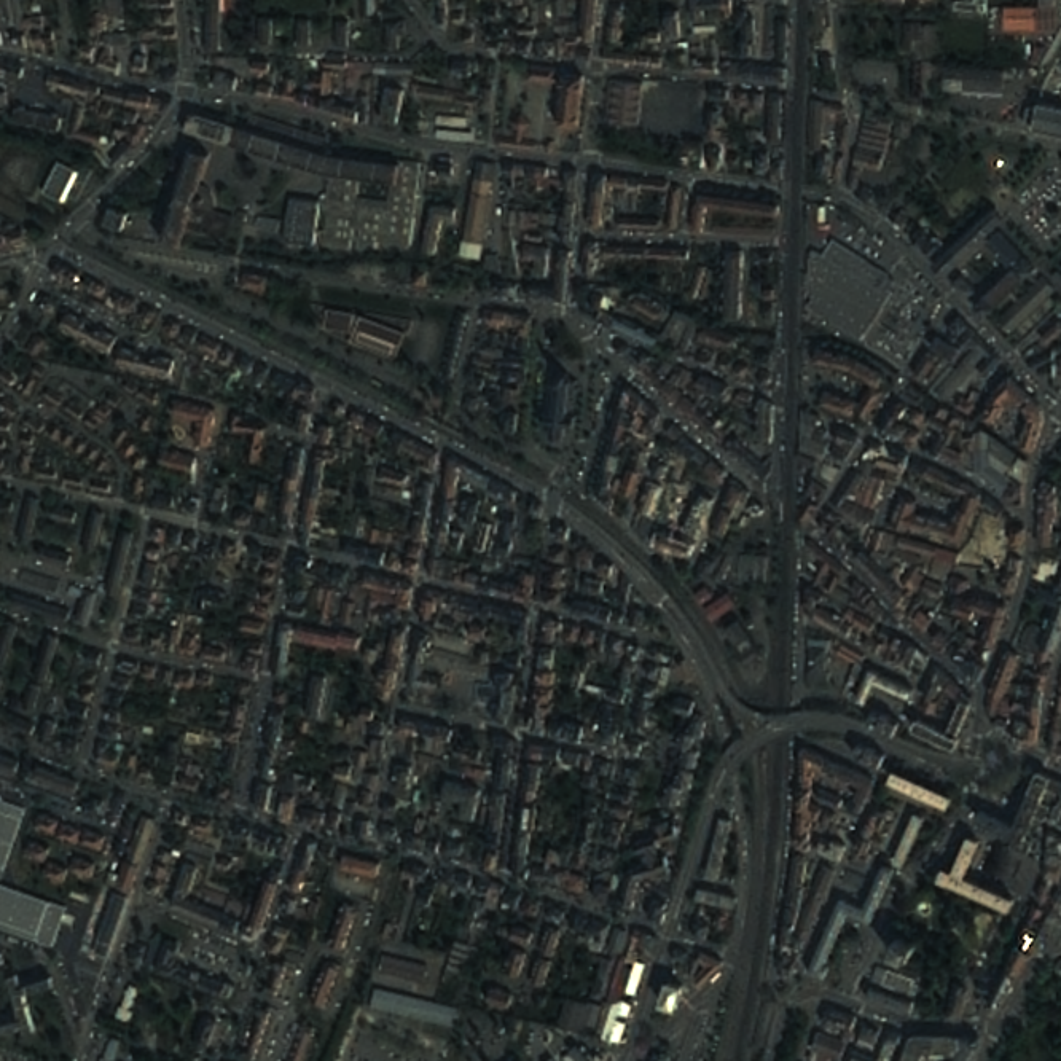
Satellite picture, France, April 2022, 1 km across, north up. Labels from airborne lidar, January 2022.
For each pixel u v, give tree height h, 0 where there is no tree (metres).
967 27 0
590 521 0
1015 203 0
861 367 0
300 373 0
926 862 0
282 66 8
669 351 10
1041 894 0
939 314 0
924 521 0
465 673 0
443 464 0
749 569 0
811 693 0
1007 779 16
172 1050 0
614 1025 0
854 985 0
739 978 0
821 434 0
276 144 0
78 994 0
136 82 0
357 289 0
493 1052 0
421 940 14
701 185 6
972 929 22
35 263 0
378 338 0
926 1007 15
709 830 0
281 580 0
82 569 0
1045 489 0
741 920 0
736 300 0
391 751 0
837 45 0
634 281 19
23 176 0
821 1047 0
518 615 0
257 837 0
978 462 0
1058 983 14
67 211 6
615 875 0
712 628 0
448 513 0
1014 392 0
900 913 10
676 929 0
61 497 0
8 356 10
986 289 0
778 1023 0
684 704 0
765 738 0
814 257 0
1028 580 0
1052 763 0
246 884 0
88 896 13
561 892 0
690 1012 0
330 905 0
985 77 0
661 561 11
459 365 0
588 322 0
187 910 0
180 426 0
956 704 0
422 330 0
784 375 0
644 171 0
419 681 0
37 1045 0
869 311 0
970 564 0
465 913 10
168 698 6
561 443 0
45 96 0
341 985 0
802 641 0
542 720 0
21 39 0
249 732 0
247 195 0
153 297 0
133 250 0
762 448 0
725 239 0
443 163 0
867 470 0
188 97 0
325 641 0
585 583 0
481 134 0
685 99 0
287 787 11
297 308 0
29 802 0
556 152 0
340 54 0
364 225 0
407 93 0
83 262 0
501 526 0
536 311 0
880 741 0
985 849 0
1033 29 0
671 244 0
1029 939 0
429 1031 0
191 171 0
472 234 0
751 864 0
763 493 0
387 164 0
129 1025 8
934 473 0
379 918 0
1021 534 0
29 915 0
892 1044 0
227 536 0
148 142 0
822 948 0
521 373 0
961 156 12
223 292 0
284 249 7
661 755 0
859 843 0
